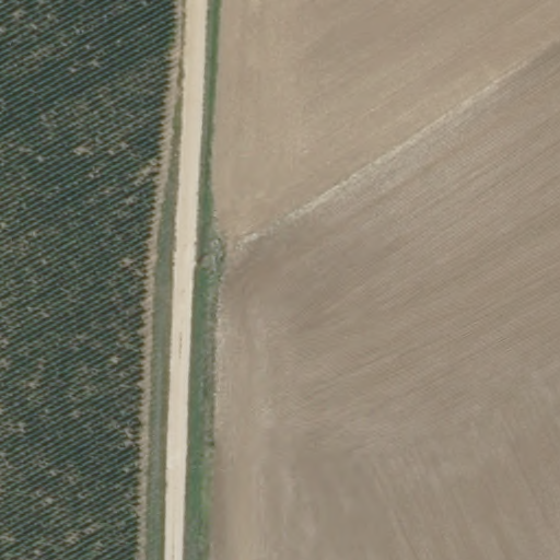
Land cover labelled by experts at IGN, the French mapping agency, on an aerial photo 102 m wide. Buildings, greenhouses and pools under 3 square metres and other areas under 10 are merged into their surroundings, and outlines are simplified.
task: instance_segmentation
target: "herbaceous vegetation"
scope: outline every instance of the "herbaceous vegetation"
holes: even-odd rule
[[[147,282],[142,300],[144,315],[140,328],[144,343],[140,381],[142,403],[136,560],[164,560],[173,254],[179,188],[186,26],[175,26],[175,42],[171,48],[168,92],[164,101],[160,140],[162,164],[155,182],[151,234],[147,241]]]
[[[184,560],[208,560],[210,479],[214,455],[219,453],[214,442],[214,330],[219,282],[228,256],[225,236],[212,230],[212,140],[219,72],[221,0],[208,0],[197,254],[190,319]]]

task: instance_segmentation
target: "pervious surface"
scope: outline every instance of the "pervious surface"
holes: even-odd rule
[[[173,254],[164,560],[184,560],[190,319],[197,254],[208,0],[186,0],[186,26],[179,188]]]

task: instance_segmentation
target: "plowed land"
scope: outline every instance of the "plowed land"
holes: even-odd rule
[[[212,230],[225,236],[228,256],[219,282],[214,330],[214,442],[219,453],[214,455],[210,479],[208,560],[560,560],[560,0],[221,0],[219,72],[212,140]]]

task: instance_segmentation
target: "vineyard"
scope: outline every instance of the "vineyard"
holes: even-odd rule
[[[147,282],[147,241],[151,234],[155,182],[162,164],[160,140],[164,101],[168,92],[171,48],[175,42],[175,26],[186,26],[186,0],[0,0],[0,560],[136,560],[142,403],[140,381],[144,343],[140,328],[144,315],[142,300]]]

